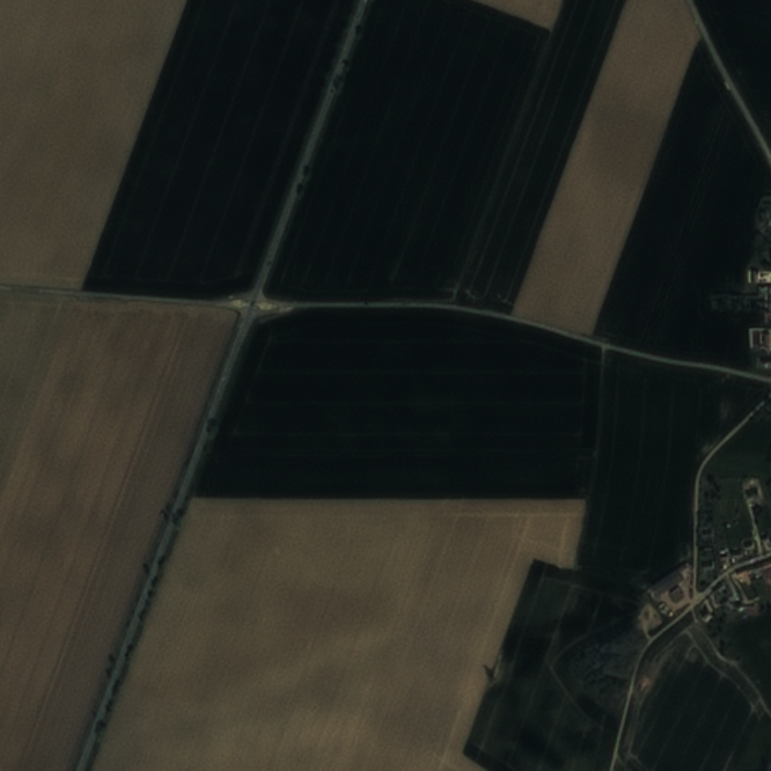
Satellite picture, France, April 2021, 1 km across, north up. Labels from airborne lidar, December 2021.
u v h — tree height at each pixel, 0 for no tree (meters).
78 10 0
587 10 0
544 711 0
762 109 0
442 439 0
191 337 0
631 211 0
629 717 0
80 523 0
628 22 0
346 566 0
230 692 0
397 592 0
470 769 0
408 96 0
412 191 0
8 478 0
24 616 0
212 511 0
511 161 0
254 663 0
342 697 0
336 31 0
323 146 0
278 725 0
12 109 0
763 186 0
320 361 0
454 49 0
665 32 0
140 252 0
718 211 0
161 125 0
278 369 0
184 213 0
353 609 0
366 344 0
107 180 0
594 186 0
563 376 0
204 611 0
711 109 0
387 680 0
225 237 0
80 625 0
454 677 0
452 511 0
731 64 0
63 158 0
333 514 0
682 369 0
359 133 0
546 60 0
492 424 0
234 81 0
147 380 0
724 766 0
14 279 0
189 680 0
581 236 0
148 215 0
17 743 0
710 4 0
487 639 0
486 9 0
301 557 0
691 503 0
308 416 0
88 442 0
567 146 0
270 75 0
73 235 0
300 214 0
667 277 0
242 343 0
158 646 0
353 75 0
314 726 0
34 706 0
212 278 0
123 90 0
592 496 0
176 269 0
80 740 0
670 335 0
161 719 0
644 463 0
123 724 0
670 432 0
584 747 0
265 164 0
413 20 0
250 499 0
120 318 0
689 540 0
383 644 0
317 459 0
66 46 0
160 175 0
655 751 0
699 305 0
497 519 0
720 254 0
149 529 0
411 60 0
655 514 0
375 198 0
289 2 0
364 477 0
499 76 0
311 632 0
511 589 0
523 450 0
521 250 0
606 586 0
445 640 0
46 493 0
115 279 0
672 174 0
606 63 0
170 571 0
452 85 0
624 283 0
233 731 0
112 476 0
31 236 0
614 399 0
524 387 0
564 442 0
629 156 0
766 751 0
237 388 0
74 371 0
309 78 0
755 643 0
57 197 0
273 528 0
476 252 0
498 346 0
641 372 0
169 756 0
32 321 0
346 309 0
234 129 0
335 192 0
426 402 0
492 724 0
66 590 0
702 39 0
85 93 0
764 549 0
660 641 0
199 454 0
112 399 0
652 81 0
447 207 0
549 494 0
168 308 0
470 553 0
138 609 0
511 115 0
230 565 0
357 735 0
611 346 0
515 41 0
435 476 0
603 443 0
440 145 0
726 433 0
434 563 0
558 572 0
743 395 0
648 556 0
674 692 0
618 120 0
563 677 0
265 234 0
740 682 0
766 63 0
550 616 0
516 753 0
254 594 0
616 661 27
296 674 0
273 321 0
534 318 0
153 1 0
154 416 0
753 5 0
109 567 0
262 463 0
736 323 0
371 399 0
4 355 0
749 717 0
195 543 0
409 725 0
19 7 0
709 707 0
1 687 0
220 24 0
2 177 0
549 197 0
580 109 0
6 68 0
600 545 0
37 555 0
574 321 0
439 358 0
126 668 0
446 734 0
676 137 0
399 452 0
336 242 0
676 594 0
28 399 0
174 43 0
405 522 0
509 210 0
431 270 0
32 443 0
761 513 7
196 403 0
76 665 0
